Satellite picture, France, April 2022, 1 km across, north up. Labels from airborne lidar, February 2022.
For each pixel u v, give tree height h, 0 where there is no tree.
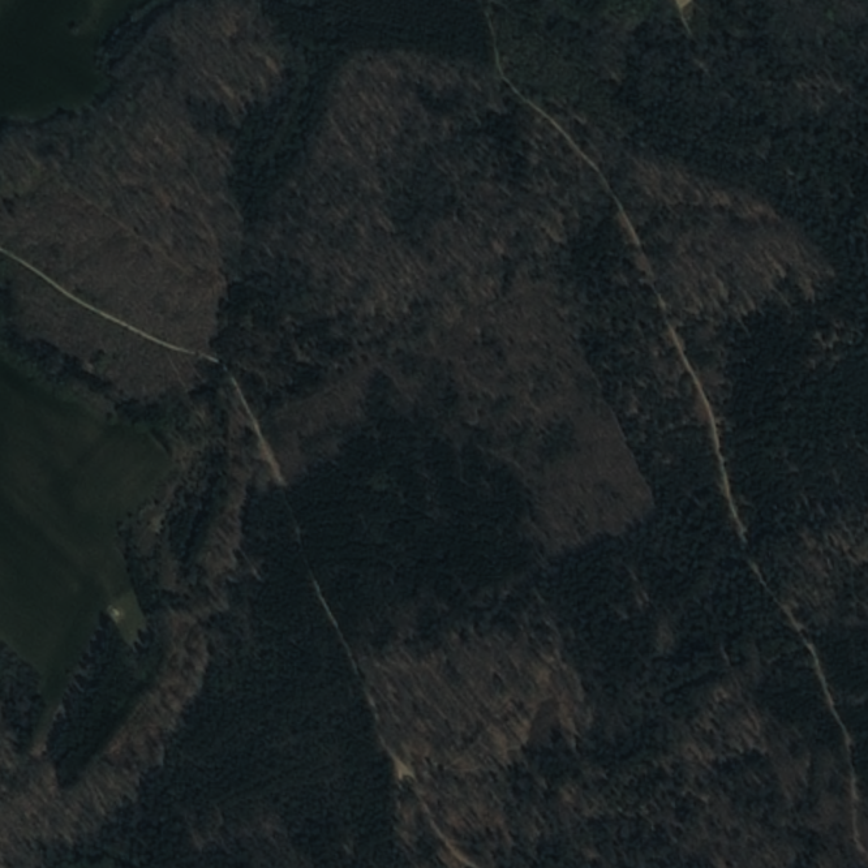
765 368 14
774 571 29
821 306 11
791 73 32
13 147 34
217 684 19
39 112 0
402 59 30
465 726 27
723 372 9
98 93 0
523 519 20
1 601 0
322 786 15
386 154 26
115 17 0
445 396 16
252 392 8
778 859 25
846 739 13
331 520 20
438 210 21
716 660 30
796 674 13
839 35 25
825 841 16
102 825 30
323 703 14
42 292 9
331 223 27
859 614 9
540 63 16
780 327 16
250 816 15
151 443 0
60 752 27
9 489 0
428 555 19
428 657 28
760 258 30
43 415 0
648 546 27
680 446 10
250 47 27
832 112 29
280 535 26
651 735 22
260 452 25
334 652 17
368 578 15
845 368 11
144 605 11
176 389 7
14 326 12
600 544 14
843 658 17
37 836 31
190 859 25
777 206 22
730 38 8
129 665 26
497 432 14
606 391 10
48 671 0
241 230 30
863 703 19
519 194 27
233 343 9
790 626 28
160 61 30
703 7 14
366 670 24
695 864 9
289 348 12
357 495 18
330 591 16
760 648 15
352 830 27
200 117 29
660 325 9
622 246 11
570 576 30
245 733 16
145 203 31
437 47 29
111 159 31
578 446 14
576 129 24
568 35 27
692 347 12
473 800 28
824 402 18
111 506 0
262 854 24
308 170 30
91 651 0
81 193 28
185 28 31
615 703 28
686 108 31
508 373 15
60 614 0
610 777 30
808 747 13
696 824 27
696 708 26
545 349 12
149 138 32
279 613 20
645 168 27
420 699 29
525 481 17
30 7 0
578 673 26
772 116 30
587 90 15
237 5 29
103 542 0
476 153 26
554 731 10
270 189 34
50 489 0
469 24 27
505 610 24
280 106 27
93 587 0
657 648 28
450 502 19
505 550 15
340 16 28
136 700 14
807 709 18
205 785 19
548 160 18
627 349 10
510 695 31
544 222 27
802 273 30
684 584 32
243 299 14
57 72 0
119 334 6
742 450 14
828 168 27
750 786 21
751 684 18
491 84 28
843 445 8
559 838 32
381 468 18
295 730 14
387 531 19
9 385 0
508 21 17
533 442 12
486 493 17
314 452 15
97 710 29
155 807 30
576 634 24
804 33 32
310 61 25
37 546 0
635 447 19
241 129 29
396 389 23
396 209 25
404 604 16
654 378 8
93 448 0
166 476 0
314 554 21
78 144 19
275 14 26
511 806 26
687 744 30
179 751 19
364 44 27
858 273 25
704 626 33
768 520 9
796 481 11
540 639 27
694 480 12
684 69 33
